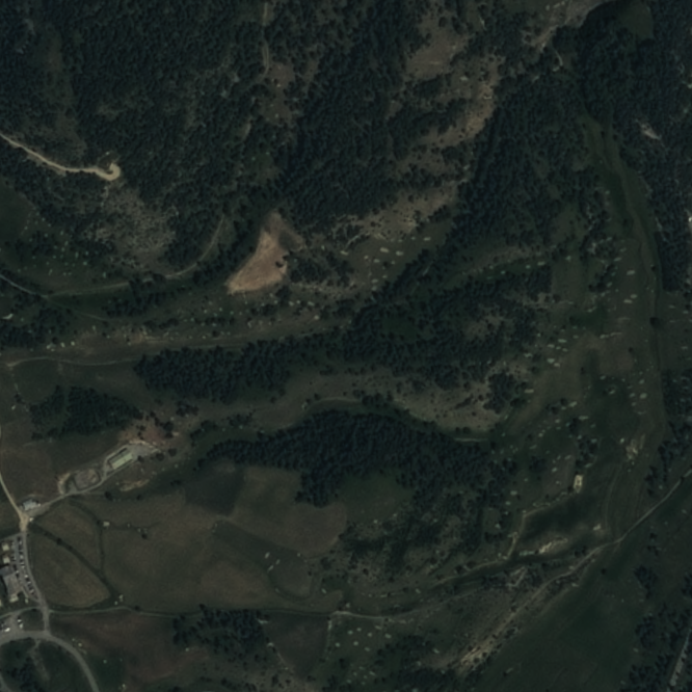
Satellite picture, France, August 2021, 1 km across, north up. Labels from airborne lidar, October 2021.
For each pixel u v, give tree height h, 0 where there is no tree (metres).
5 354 0
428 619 0
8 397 0
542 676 0
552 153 10
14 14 12
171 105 8
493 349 18
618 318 0
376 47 14
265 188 6
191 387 10
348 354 16
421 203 0
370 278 0
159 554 0
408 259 0
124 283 0
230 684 13
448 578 0
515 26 8
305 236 6
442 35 0
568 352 0
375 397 11
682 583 0
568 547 0
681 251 7
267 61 0
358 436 15
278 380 8
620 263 0
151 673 0
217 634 0
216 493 0
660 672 5
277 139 8
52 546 0
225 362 8
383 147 21
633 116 7
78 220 7
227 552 0
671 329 0
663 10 12
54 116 9
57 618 0
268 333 0
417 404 0
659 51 21
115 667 0
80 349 0
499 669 0
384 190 24
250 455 21
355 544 6
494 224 21
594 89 24
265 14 0
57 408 8
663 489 0
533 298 7
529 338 11
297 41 6
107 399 10
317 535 0
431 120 11
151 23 15
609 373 0
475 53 10
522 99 15
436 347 20
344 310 15
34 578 0
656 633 11
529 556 0
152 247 0
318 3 22
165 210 9
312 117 29
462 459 12
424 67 0
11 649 0
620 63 29
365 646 0
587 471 0
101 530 0
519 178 10
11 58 9
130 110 6
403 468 17
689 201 8
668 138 8
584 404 0
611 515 0
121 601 0
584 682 0
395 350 10
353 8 23
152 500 0
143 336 0
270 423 0
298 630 0
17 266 0
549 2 0
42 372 0
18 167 10
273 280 0
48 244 8
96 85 15
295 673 0
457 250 13
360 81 20
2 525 0
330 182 12
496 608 0
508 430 0
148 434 0
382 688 0
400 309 16
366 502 0
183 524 0
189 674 0
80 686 0
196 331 0
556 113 8
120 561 0
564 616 0
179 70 17
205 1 9
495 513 0
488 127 8
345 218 7
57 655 0
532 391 0
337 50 17
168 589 0
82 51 12
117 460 0
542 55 12
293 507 0
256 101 8
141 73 13
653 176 8
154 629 0
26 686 10
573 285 0
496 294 12
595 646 0
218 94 5
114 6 11
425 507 7
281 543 0
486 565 0
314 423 12
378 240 0
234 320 7
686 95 13
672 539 0
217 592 0
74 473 0
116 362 0
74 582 0
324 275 10
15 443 0
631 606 0
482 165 18
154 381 12
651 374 0
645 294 0
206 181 10
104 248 9
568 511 0
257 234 0
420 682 6
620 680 0
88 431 10
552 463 0
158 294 10
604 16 19
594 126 0
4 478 0
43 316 11
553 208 22
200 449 0
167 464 0
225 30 13
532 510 0
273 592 0
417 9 6
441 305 12
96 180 10
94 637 0
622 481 0
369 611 0
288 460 14
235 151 9
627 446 0
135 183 13
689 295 9
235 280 0
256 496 0
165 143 10
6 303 0
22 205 0
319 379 0
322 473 26
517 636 0
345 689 7
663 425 0
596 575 0
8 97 8
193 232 10
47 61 0
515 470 13
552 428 0
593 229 10
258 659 9
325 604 0
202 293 0
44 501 0
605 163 0
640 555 0
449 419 0
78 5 11
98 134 11
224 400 12
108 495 9
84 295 0
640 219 0
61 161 0
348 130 17
